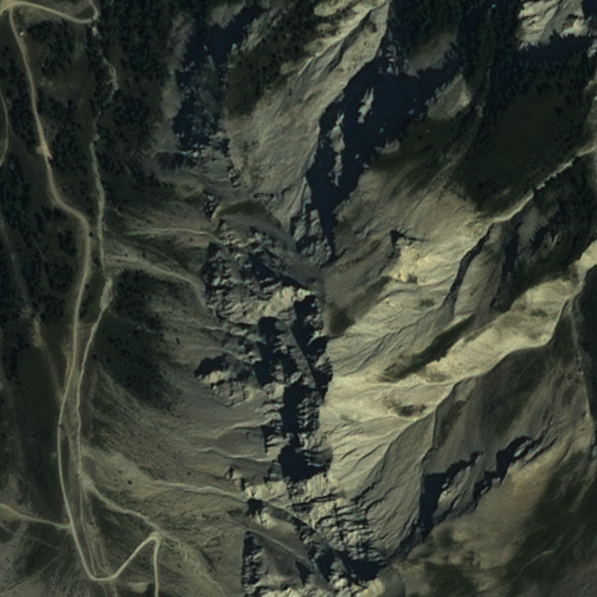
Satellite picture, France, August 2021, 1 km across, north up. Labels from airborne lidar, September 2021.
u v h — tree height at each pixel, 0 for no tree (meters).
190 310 0
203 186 0
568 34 0
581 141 7
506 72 8
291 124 0
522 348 0
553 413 0
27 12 0
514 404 0
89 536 0
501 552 0
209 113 0
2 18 0
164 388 0
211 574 0
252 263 0
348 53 0
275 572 0
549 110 0
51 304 17
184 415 0
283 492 0
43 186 0
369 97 0
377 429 0
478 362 0
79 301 0
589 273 0
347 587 0
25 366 0
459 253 0
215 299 0
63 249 12
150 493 0
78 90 0
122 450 0
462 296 0
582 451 0
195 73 0
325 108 0
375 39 0
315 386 0
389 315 0
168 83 0
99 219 0
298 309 0
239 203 0
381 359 0
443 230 0
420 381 0
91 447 0
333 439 0
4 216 0
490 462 0
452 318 0
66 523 0
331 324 0
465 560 0
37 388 0
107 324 0
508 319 0
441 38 0
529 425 0
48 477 0
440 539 0
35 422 0
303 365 0
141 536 0
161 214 0
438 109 0
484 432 0
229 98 0
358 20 0
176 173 0
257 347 0
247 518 0
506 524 0
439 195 0
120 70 0
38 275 14
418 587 0
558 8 0
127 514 0
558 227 7
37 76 0
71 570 0
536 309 0
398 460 0
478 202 0
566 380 0
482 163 0
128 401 0
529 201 0
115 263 0
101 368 0
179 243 0
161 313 0
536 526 0
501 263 0
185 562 0
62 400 0
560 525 0
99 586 0
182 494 0
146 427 0
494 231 0
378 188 0
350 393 0
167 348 0
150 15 19
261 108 0
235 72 0
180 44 0
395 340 0
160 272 0
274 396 0
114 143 12
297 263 0
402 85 0
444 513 0
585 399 0
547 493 0
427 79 0
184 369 0
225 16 0
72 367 0
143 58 18
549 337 0
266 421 0
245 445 0
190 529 0
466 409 0
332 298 0
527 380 0
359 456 0
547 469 0
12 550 0
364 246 0
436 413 0
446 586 0
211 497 0
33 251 13
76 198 0
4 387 0
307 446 0
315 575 0
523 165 0
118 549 0
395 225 0
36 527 0
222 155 0
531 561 0
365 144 0
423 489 0
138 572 0
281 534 0
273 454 0
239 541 0
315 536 0
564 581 0
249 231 0
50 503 0
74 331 0
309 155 0
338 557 0
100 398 0
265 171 0
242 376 0
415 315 0
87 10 0
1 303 9
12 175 0
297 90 0
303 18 9
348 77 0
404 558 0
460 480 0
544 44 0
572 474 0
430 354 0
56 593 0
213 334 0
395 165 0
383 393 0
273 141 0
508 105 7
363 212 0
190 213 0
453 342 0
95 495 0
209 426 0
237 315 0
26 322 0
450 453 0
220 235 0
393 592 0
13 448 0
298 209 0
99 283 0
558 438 0
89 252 0
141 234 0
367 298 0
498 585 0
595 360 0
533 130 0
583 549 0
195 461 0
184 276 0
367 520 0
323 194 0
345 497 0
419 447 0
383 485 0
